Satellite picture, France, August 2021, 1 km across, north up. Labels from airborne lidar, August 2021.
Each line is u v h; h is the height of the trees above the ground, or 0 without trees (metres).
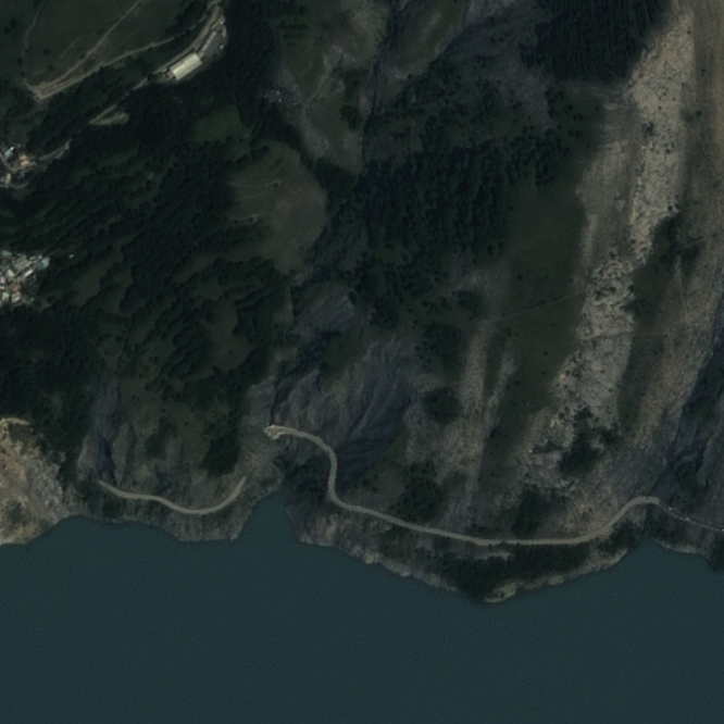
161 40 6
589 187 0
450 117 15
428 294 10
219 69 17
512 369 0
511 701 0
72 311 17
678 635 0
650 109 0
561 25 13
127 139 13
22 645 0
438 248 11
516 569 12
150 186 16
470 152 7
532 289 0
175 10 0
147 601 0
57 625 0
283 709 0
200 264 0
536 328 0
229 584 0
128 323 10
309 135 0
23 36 0
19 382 20
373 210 14
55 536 0
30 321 9
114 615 0
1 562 0
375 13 0
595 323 0
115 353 0
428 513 7
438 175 13
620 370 0
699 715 0
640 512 0
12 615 0
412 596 0
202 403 11
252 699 0
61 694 0
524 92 0
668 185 0
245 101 17
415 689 0
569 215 0
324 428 0
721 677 0
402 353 0
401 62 0
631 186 0
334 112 0
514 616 0
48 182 25
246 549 0
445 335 13
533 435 0
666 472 0
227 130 0
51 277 15
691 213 0
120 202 16
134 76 0
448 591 0
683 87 0
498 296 0
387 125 11
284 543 0
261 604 0
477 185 26
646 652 0
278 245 0
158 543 0
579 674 0
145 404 0
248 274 10
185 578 0
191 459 0
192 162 22
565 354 0
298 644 0
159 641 0
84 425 8
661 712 0
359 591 0
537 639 0
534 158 10
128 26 0
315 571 0
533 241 0
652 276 0
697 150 0
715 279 0
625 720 0
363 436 0
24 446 0
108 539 0
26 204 10
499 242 19
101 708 0
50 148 13
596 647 0
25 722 0
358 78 8
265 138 17
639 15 11
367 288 22
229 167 14
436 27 0
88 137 19
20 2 0
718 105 0
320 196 0
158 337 9
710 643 0
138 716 0
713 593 0
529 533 12
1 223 17
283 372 6
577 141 13
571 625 0
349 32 0
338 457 0
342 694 0
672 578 0
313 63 0
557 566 7
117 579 0
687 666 0
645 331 0
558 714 0
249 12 19
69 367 22
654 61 0
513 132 0
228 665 0
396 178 13
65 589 0
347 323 0
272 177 0
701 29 0
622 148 0
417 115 9
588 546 11
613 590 0
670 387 0
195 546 0
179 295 19
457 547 0
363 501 0
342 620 0
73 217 12
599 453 7
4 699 0
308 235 0
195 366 11
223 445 17
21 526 0
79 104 21
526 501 7
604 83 6
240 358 0
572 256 0
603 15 14
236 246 13
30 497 0
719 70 0
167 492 6
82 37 0
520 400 0
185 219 30
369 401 0
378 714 0
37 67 0
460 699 0
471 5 0
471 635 0
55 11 0
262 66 19
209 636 0
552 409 0
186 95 14
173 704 0
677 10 0
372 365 0
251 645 0
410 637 0
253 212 0
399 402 0
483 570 17
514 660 0
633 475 0
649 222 0
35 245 14
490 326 0
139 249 22
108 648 0
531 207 0
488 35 0
